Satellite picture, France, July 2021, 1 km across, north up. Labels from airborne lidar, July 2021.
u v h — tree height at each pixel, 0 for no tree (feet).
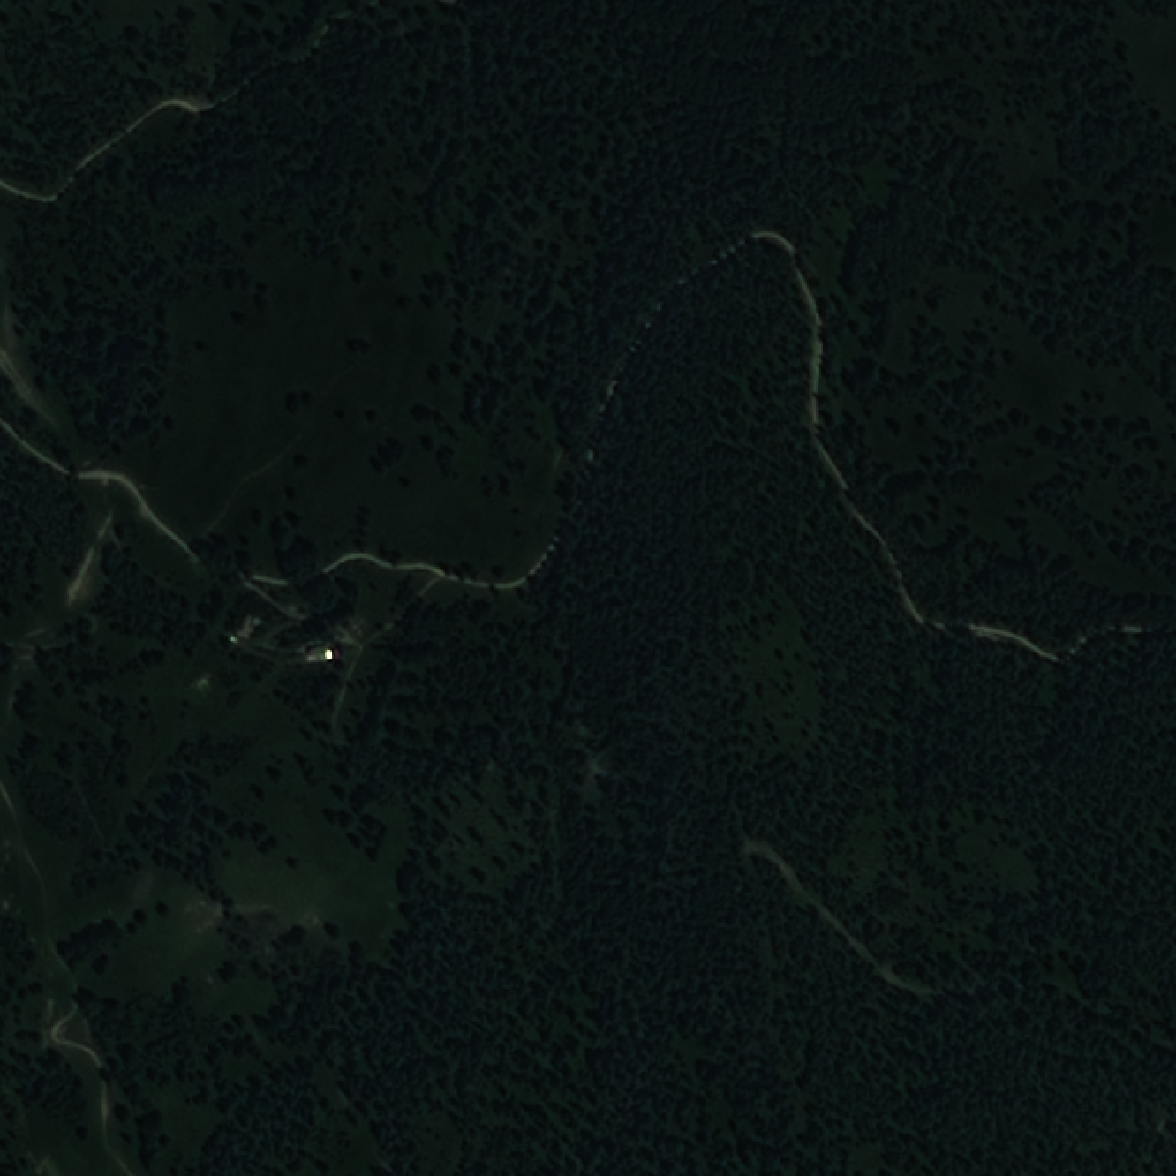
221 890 29
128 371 88
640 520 77
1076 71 58
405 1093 63
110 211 21
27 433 44
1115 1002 56
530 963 31
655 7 61
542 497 0
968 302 0
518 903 70
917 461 0
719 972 22
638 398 70
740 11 47
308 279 0
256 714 0
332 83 31
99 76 19
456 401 0
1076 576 36
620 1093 65
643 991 39
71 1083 38
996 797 80
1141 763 75
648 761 18
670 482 61
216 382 0
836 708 58
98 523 0
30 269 40
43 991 59
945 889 23
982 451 0
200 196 87
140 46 21
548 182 46
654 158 36
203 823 81
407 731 83
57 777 25
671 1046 71
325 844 0
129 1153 0
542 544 0
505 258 32
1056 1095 85
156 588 76
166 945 0
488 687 44
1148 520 24
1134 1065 86
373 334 0
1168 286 56
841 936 51
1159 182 52
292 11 0
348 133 45
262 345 0
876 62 48
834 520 89
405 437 0
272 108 43
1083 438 67
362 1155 0
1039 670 85
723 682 33
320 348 0
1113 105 44
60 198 22
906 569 70
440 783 85
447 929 47
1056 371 0
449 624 60
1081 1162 70
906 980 29
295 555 85
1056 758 90
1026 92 38
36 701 63
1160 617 62
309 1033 69
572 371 73
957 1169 73
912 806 79
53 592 0
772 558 85
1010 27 40
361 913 0
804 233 60
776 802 69
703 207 63
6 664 82
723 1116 0
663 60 37
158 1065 21
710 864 34
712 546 64
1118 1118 68
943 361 77
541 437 58
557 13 33
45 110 33
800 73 63
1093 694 50
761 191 67
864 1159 0
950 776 79
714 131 37
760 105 50
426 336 0
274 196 53
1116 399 0
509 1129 30
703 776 36
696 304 71
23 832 0
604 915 34
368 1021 68
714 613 51
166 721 0
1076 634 68
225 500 0
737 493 71
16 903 0
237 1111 20
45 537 70
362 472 0
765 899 19
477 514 0
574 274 43
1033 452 44
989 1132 83
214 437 0
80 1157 0
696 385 68
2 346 0
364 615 0
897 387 82
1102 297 61
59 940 0
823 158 50
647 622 71
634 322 59
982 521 0
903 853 33
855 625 85
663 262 71
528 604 27
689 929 47
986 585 68
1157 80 0
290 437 0
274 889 0
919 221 74
